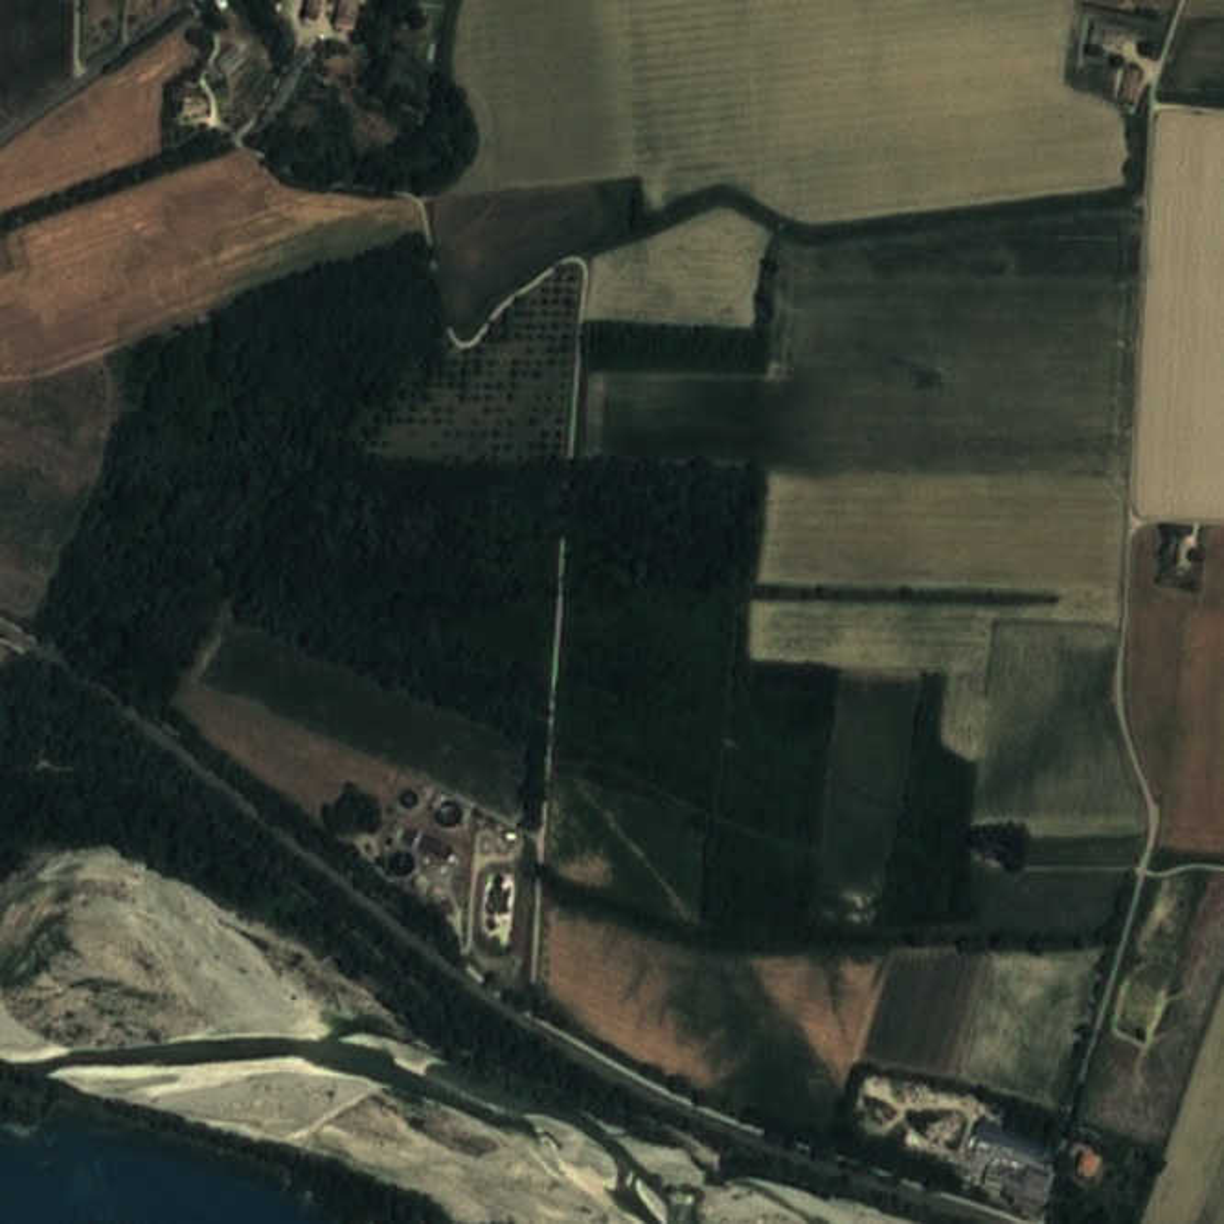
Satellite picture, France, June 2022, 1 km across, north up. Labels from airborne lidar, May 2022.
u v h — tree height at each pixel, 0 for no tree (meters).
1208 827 0
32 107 0
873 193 0
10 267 0
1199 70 0
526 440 0
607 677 8
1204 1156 0
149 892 0
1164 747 0
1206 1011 0
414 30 13
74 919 0
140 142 0
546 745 16
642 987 0
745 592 7
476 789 0
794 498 0
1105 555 0
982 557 0
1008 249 0
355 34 11
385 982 6
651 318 0
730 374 0
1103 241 0
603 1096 9
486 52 0
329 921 17
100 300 0
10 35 0
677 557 18
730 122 0
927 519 0
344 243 0
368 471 17
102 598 25
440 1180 0
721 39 0
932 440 0
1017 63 0
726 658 7
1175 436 0
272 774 0
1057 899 0
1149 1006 0
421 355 21
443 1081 0
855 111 0
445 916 11
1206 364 0
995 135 0
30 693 23
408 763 0
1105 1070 0
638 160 0
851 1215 0
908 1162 13
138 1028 0
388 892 10
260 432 16
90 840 7
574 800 0
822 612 0
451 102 21
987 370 0
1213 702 0
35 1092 16
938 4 0
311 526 18
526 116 0
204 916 0
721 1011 0
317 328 25
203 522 31
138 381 6
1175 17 0
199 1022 0
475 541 16
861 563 0
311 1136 0
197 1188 0
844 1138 10
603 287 0
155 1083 0
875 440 0
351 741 0
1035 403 0
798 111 0
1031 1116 10
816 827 7
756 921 5
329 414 22
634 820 0
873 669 0
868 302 0
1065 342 0
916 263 0
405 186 14
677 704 7
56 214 11
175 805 17
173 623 30
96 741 10
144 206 0
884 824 0
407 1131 0
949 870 7
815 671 8
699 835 6
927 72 0
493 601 9
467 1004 15
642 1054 0
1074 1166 14
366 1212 11
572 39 0
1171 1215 0
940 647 0
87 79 0
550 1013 17
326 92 15
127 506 23
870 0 0
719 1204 0
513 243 0
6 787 16
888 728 0
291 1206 0
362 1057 0
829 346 0
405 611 19
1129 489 0
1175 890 0
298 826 20
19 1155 0
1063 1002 0
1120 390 0
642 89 0
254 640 0
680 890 0
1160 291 0
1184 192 0
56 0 0
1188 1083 0
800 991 0
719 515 18
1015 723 0
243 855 16
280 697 0
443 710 17
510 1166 0
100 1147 0
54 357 0
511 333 9
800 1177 6
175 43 0
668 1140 7
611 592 7
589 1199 0
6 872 16
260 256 0
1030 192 0
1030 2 0
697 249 0
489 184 0
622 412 0
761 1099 0
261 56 0
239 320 22
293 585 18
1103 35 0
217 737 0
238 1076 0
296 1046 0
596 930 0
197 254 0
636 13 0
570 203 0
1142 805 0
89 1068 0
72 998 0
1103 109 0
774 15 0
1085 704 0
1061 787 0
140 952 0
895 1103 0
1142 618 0
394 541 21
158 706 17
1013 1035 0
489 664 11
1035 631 0
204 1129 12
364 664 17
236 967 0
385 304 25
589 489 14
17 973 0
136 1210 0
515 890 0
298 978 0
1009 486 0
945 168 0
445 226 0
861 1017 0
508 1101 0
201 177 0
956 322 0
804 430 0
